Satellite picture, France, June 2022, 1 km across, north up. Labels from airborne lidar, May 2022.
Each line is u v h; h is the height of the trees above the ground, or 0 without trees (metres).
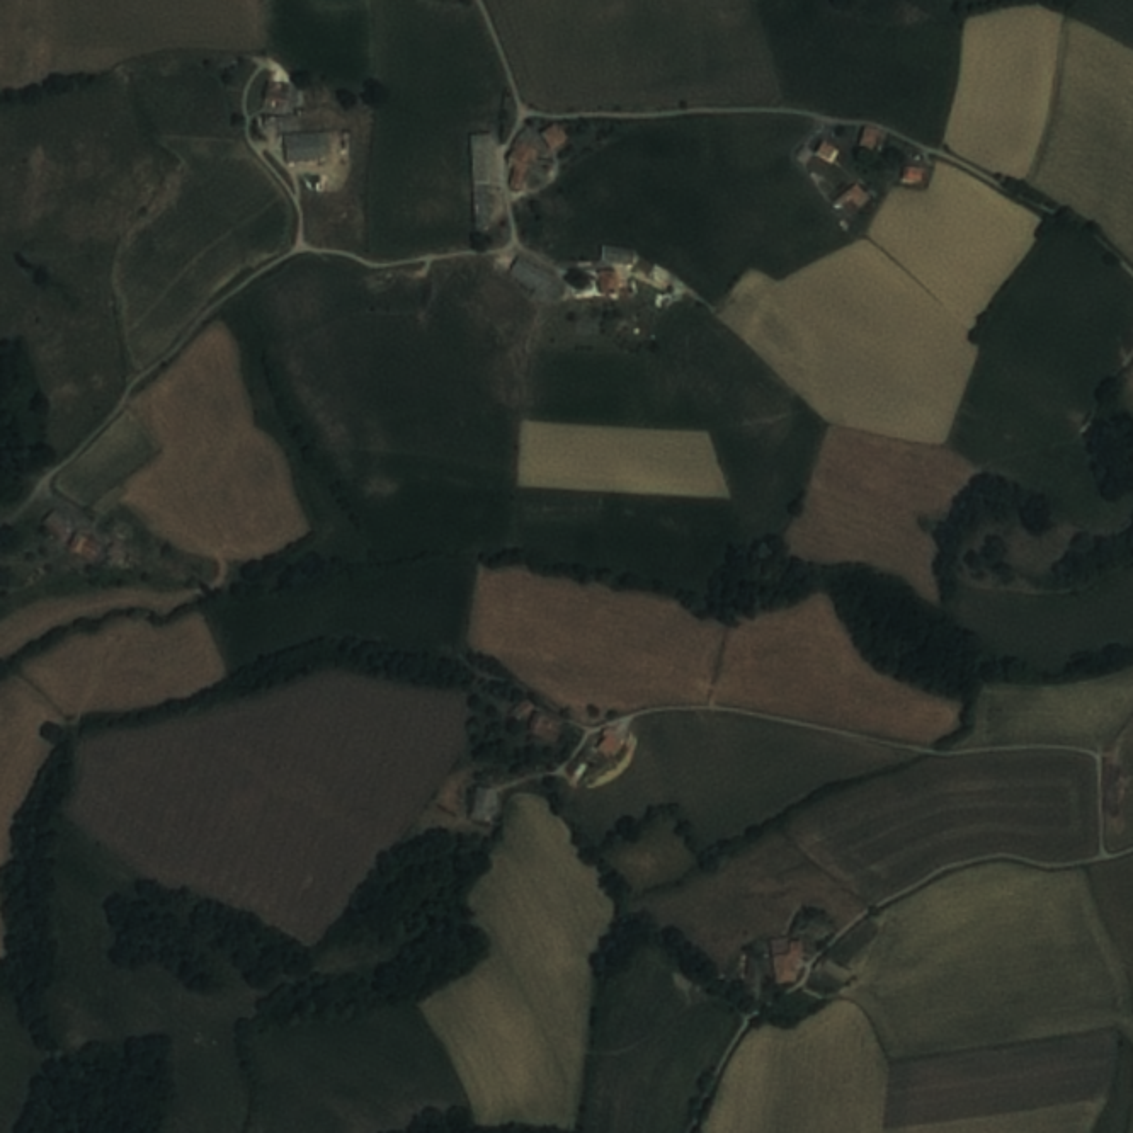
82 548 0
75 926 0
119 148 0
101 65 0
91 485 0
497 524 0
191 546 0
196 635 0
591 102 0
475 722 8
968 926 0
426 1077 0
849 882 0
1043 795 0
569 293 0
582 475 0
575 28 0
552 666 0
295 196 0
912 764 0
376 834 0
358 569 8
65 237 0
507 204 0
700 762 0
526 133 0
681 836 9
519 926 0
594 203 0
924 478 0
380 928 14
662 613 0
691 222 0
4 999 0
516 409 0
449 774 0
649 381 0
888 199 0
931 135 0
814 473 0
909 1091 0
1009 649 0
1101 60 0
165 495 0
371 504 0
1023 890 0
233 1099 0
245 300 0
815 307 0
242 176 0
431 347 0
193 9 0
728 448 0
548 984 0
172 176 0
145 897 10
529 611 0
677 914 0
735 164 0
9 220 0
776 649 0
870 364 0
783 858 0
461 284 0
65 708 0
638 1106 0
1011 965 0
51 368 0
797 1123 0
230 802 0
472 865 17
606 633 0
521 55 0
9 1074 0
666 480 0
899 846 0
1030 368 0
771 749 0
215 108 0
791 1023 9
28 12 0
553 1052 0
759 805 0
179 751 0
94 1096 22
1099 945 0
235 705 0
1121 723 0
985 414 0
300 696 0
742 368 0
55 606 0
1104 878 0
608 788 0
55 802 12
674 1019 0
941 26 0
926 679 12
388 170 0
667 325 0
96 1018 0
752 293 0
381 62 0
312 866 0
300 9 0
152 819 0
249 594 8
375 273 0
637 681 0
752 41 0
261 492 0
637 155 0
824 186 0
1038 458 0
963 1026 0
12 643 0
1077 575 18
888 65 0
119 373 0
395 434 0
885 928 0
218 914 16
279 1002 8
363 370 0
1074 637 0
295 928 0
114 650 0
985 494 22
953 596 7
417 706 0
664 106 0
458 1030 0
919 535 0
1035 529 23
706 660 0
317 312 0
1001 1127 0
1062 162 0
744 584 18
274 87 0
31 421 0
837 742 0
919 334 0
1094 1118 0
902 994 0
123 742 0
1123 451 17
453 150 0
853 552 0
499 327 0
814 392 0
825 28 0
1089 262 0
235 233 0
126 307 0
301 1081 0
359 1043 0
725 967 0
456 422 0
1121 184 0
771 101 0
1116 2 0
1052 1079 0
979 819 0
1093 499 0
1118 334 0
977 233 0
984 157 0
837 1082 0
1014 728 0
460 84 0
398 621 0
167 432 0
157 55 0
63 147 0
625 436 0
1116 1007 0
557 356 0
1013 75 0
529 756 13
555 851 0
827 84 0
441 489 0
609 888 20
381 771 0
